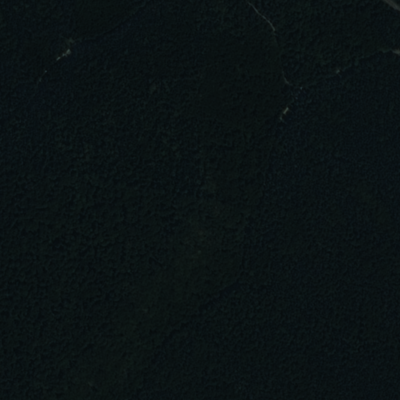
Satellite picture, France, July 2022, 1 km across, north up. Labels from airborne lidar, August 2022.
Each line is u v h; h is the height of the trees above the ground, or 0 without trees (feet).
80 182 81
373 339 75
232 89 68
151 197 85
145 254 91
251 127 65
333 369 89
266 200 76
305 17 84
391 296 94
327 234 98
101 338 69
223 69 66
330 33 64
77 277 73
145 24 64
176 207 87
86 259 75
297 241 52
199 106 43
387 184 103
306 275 75
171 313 79
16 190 64
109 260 83
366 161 94
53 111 56
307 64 80
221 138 57
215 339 88
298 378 96
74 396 74
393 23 91
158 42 68
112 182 69
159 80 31
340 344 83
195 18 46
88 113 54
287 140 113
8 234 74
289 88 75
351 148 96
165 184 63
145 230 95
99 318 81
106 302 75
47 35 49
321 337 83
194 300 73
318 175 86
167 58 51
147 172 62
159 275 65
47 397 72
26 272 85
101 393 82
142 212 87
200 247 89
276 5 68
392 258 117
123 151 49
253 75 64
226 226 88
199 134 54
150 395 71
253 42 50
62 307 95
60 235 19
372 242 99
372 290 88
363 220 104
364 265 75
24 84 50
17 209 78
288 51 79
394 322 99
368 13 88
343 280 90
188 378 67
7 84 58
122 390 96
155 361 82
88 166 41
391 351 81
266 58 56
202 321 83
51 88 57
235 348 78
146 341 94
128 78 62
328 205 75
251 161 77
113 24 55
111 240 76
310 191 81
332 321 89
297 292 79
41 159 32
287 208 98
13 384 94
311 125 95
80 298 104
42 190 71
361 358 82
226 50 72
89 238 84
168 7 73
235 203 88
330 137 86
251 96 62
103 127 78
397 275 85
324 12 80
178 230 78
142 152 60
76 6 48
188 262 86
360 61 65
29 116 72
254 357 77
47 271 84
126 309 74
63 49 93
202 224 87
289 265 87
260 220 96
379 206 66
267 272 75
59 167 57
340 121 99
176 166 41
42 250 80
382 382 86
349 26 71
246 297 74
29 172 88
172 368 79
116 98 37
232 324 70
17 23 61
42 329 78
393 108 87
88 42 102
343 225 91
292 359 64
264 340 44
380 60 85
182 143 49
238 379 86
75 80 56
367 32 67
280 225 77
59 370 18
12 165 72
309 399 93
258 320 82
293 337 81
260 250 77
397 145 100
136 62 65
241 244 76
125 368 88
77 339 74
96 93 30
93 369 81
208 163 67
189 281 95
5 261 82
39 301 80
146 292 65
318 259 79
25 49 49
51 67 58
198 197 90
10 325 85
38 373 84
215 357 78
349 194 87
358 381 96
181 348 85
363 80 96
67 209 91
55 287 82
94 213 81
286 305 85
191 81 39
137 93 21
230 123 69
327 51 80
